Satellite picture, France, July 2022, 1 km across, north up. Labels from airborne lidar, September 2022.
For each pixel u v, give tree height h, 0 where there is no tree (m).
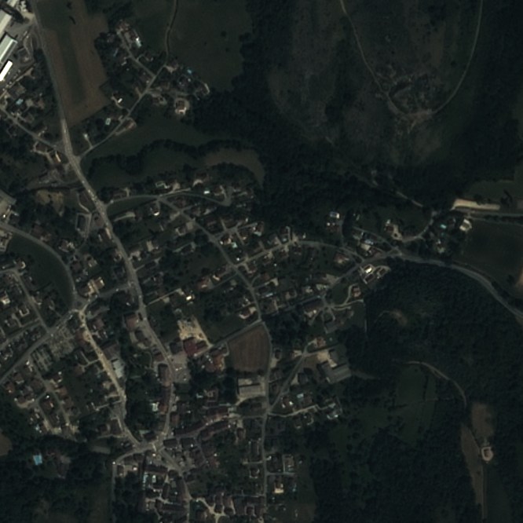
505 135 23
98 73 0
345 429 0
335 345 0
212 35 0
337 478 14
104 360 0
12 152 14
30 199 17
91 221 0
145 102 0
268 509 0
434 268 12
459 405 8
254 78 21
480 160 16
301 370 0
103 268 13
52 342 0
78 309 0
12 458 9
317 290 7
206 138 0
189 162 0
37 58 16
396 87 7
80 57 0
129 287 0
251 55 18
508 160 16
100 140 11
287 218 10
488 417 0
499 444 7
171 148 13
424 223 0
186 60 0
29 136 7
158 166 0
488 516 0
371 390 12
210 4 0
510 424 14
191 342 0
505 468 8
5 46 0
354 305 0
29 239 0
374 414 0
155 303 0
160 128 0
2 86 0
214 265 0
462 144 12
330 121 11
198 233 6
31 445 10
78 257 8
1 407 12
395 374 15
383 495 23
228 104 18
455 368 5
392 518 25
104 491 0
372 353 20
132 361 9
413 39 0
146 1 0
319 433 16
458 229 11
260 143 24
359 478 14
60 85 0
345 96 12
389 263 15
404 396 0
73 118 0
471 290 14
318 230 10
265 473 0
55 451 0
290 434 7
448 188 16
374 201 19
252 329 0
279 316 15
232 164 11
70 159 0
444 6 8
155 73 7
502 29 18
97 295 0
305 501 0
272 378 0
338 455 7
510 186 0
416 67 0
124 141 0
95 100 0
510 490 9
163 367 0
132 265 0
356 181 22
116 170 0
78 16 0
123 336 15
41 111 15
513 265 0
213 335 0
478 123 19
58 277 0
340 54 6
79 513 8
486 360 19
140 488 12
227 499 0
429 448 16
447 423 11
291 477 0
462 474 6
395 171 18
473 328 14
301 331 7
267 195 15
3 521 12
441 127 0
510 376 8
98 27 0
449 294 19
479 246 0
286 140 11
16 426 11
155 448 0
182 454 0
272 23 10
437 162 7
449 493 12
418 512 21
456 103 6
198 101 9
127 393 11
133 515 26
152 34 0
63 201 0
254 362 0
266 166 11
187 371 0
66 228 17
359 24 0
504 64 28
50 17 0
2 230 0
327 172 15
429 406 0
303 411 0
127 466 0
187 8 0
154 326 0
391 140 7
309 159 15
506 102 26
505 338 15
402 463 19
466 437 0
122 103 0
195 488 0
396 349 10
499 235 0
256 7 7
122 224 17
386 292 7
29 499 8
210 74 0
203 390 13
